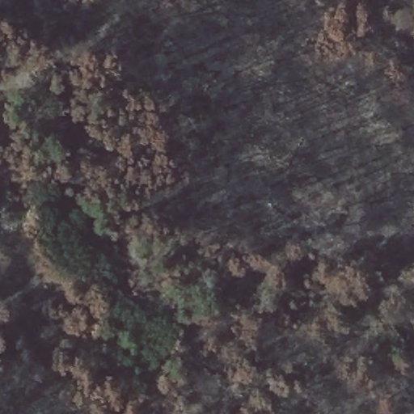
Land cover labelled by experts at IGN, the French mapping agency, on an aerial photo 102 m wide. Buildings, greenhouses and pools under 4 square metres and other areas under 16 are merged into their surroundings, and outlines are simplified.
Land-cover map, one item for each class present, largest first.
<instances>
[{"label":"coniferous trees","instance_id":"1","mask_svg":"<svg viewBox=\"0 0 414 414\"><path fill-rule=\"evenodd\" d=\"M348 0H338V6H330L323 15V27L320 29L312 55L320 61L351 60L361 63L365 70L369 71L375 86L383 87L385 91L390 92L399 107L406 108L414 115V91L408 84H404L403 57L408 52V45L404 42L395 40L391 42L390 49L382 47L378 52H357L353 44L344 42V6ZM129 49L123 47L116 50L115 45L79 42L74 47L55 50L50 57L49 53L45 52V47L37 49L36 42L27 36V31L19 37L15 36L10 24L3 23L0 19V223L5 230H16L19 233L24 231V236L31 239L34 244L31 254L27 257L29 264L36 270L31 280L32 285L44 288L50 283L60 285L66 299L73 306V312L49 310V317L63 320L65 332L73 335L68 341L70 348L53 349L52 367L53 370L60 372V375L71 372L73 377L78 378L76 396L71 395L68 390H61L57 396L58 401L66 408L78 409V414H275L272 404L260 396L259 385L268 383L270 390L278 396H296L301 393L302 387H306L307 380H314L315 375L332 374L335 369L338 370V378L346 383V390L364 393L365 388L370 387L372 391L382 390L388 395V414H414V283H404L399 278L396 281L390 280L382 267H365L353 257L335 256L330 259L314 247H310L307 239L301 241L294 238V234H289V238L286 239L288 244L285 249L275 254L272 249H268L267 243H260L256 238L246 241L233 239L230 243L215 241L213 238L217 236V226H212L210 230H175L173 238L168 236V228L155 230L158 223V207H146L144 201L147 197L154 196L157 191L167 192L175 184L188 183L192 176L196 175L197 157L201 152V136H191L181 129H171L165 121V105L158 100L154 86L150 82H142L137 78V73L129 68Z\"/></svg>","mask_w":414,"mask_h":414},{"label":"bare soil","instance_id":"2","mask_svg":"<svg viewBox=\"0 0 414 414\"><path fill-rule=\"evenodd\" d=\"M330 6H338V0H0V19L3 23L10 24L15 36L19 37L27 31V36L36 42L37 49L45 47V52L49 53L50 57L55 50L74 47L79 42L115 45L116 50L123 47L129 49V68L137 73V78L142 82H150L154 86L158 100L165 105V121L171 129H181L191 136H201V152L197 157L196 175L192 176L188 183L175 184L167 192L157 191L154 196L147 197L144 201L146 207H158V223L155 230L168 228V236L173 238L175 230H210L212 226H217V236L213 238L215 241L230 243L233 239L246 241L256 238L260 243H267L268 249H272L275 254L285 249L288 244L286 239L289 238V234H294V238L301 241L307 239L310 247H314L330 259L335 256L353 257L365 267H382L390 280L396 281L399 278L404 283H414V115L406 108L399 107L390 92L385 91L383 87L375 86L369 71L365 70L361 63L351 60L320 61L312 55L320 29L323 27V15ZM344 42L353 44L357 52H378L382 47L390 49L391 42L395 40L404 42L408 45V52L403 57L404 84H408L414 91V0H348L344 6ZM34 244L31 239L24 236V231L19 233L16 230H5L0 223V414H78V409L66 408L58 401L57 396L61 390H68L71 395L76 396L78 378L73 377L71 372L60 375V372L53 370L52 367L53 349L70 348L68 341L73 335L65 332L63 320L49 317V310L73 312V306L66 299L60 285L50 283L44 288L32 285L31 280L36 270L29 264L27 257L31 254ZM260 396L272 404L275 414H388V395L382 390L372 391L370 387L365 388L364 393L346 390V383L338 378V370L335 369L332 374L315 375L314 380H307L306 387H302L301 393L296 396H278L270 390L268 383L259 385Z\"/></svg>","mask_w":414,"mask_h":414}]
</instances>
